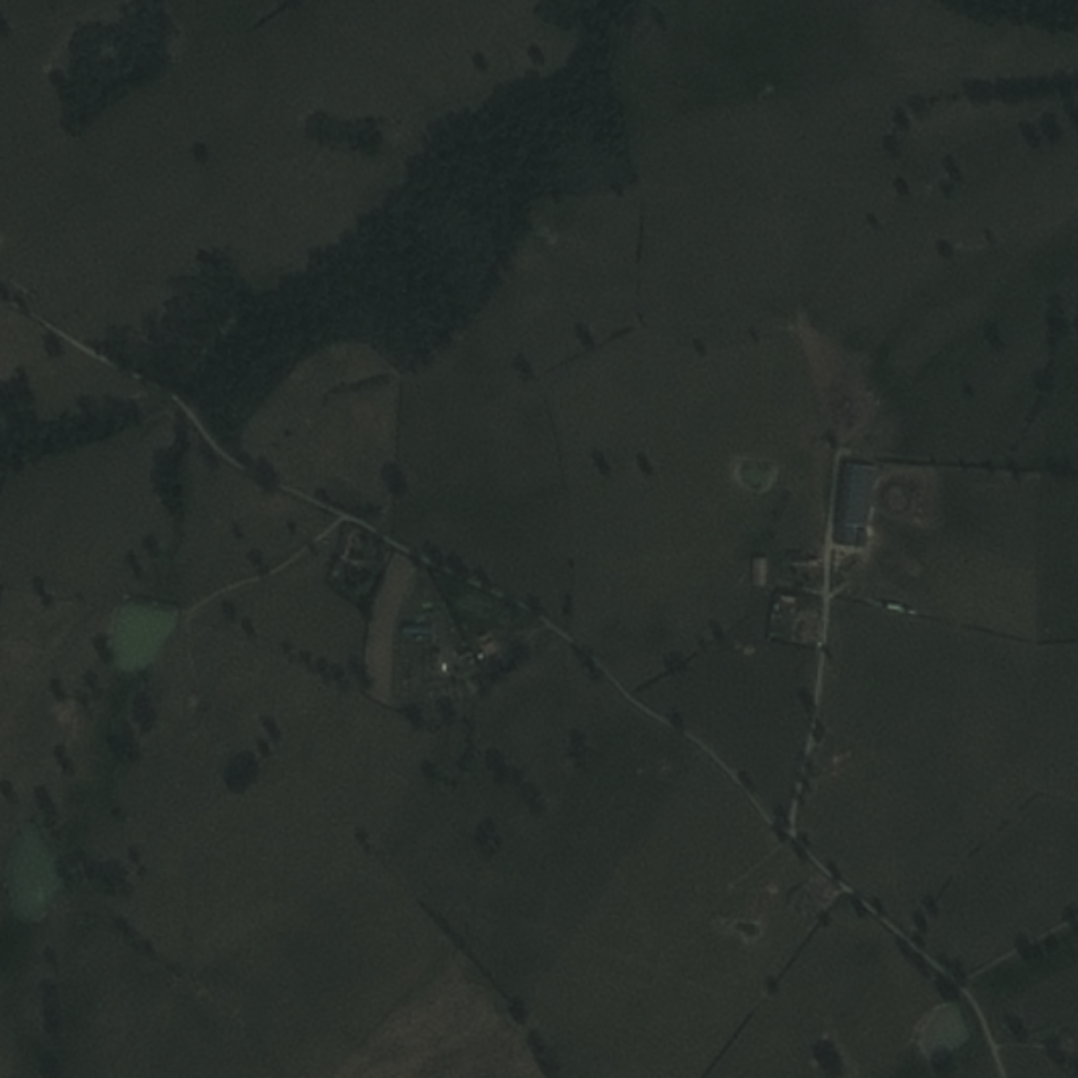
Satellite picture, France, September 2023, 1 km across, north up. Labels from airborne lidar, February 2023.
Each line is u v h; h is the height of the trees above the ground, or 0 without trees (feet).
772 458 0
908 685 0
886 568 0
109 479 0
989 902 0
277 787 0
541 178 51
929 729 0
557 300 0
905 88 0
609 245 0
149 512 0
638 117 0
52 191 0
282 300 24
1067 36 0
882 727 0
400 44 0
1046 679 0
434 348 34
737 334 0
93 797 0
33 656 0
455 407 0
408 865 0
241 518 0
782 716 0
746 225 0
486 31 0
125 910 0
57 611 0
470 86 0
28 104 0
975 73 0
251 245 0
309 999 0
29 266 0
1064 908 0
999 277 0
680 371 0
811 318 0
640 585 0
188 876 0
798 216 0
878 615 0
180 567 0
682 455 0
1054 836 0
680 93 0
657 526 0
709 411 0
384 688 0
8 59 0
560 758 0
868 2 0
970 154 0
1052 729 0
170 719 0
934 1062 32
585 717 0
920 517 0
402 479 55
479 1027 0
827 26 0
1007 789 0
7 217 0
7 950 0
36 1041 0
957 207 0
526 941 0
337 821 0
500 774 57
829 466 0
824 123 0
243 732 0
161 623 0
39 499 0
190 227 0
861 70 0
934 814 0
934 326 0
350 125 18
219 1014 0
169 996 0
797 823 0
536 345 0
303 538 0
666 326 0
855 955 0
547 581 0
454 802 0
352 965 0
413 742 0
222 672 0
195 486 0
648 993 0
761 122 0
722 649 0
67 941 0
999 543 0
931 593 0
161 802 0
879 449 0
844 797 0
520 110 60
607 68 31
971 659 0
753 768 0
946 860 0
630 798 0
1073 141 0
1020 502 0
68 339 0
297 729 0
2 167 0
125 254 0
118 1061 0
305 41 0
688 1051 0
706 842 0
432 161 55
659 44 0
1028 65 0
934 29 0
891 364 0
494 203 38
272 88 0
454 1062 0
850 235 0
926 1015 0
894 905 0
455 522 0
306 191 0
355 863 0
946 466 0
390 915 0
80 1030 0
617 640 0
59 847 0
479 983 0
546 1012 0
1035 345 0
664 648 0
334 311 24
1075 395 0
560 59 0
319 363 0
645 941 0
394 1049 0
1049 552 0
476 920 0
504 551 0
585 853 0
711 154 0
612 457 0
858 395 0
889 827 0
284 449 0
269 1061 0
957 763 0
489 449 0
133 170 0
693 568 0
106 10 0
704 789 0
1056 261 0
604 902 0
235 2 0
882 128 0
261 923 0
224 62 0
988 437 0
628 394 0
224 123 0
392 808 0
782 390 0
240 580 0
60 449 24
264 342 51
